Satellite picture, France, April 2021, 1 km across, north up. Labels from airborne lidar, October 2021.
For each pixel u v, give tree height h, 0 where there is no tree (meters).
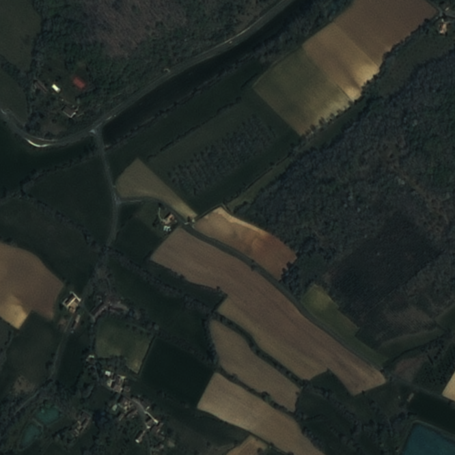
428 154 20
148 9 25
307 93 0
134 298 0
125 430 7
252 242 0
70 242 0
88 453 15
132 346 0
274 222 17
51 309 0
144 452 0
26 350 0
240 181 0
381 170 13
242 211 13
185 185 13
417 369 0
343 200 19
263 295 0
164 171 0
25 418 25
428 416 0
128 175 0
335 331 0
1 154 0
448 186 14
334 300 12
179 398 0
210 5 24
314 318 0
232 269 0
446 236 12
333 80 0
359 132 20
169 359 0
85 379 0
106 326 0
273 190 11
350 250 26
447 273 10
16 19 0
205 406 0
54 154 0
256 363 0
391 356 0
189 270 0
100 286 26
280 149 0
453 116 24
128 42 20
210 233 0
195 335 0
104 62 22
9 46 0
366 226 24
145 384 0
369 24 0
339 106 0
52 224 0
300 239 19
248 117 0
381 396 0
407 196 20
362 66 0
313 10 34
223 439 0
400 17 0
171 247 0
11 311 0
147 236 0
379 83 12
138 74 19
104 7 20
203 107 0
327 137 0
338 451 0
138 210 0
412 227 12
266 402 19
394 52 9
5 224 0
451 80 21
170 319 0
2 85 0
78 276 0
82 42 21
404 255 7
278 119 0
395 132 25
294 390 0
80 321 0
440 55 0
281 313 0
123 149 0
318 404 0
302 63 0
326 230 15
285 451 0
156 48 18
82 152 0
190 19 23
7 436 33
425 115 24
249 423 0
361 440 0
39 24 0
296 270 20
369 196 19
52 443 0
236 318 0
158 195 0
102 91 21
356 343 0
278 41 21
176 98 0
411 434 0
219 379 0
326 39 0
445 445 0
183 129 0
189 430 0
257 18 9
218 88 0
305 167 20
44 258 0
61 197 0
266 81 0
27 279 0
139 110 0
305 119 0
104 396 0
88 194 0
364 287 7
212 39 12
